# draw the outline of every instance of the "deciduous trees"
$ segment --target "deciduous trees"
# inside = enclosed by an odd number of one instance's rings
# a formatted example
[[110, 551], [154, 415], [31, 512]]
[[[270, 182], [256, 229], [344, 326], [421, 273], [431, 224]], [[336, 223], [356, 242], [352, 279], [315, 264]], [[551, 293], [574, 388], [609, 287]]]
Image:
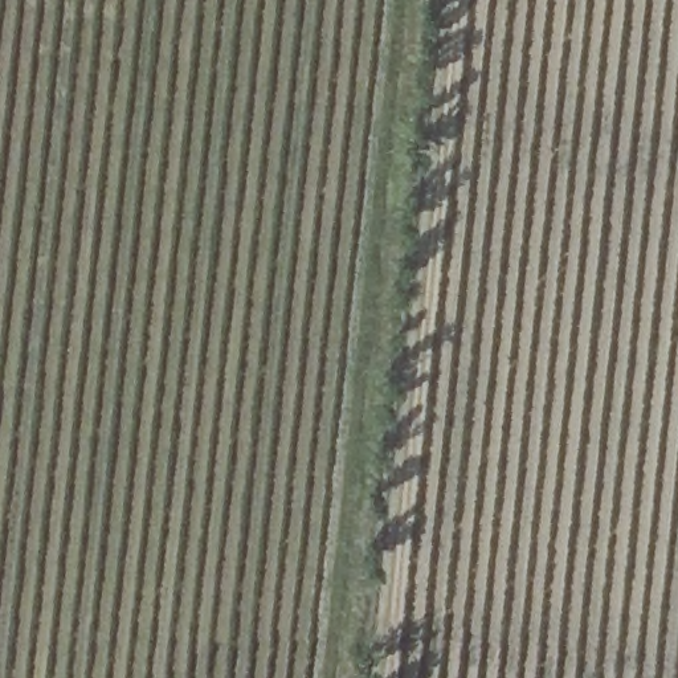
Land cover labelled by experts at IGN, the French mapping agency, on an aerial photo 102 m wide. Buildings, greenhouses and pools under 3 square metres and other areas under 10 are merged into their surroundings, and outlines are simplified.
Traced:
[[381, 583], [387, 577], [381, 564], [384, 554], [371, 548], [365, 554], [365, 569], [376, 583]]
[[358, 678], [387, 678], [376, 673], [376, 665], [387, 657], [379, 654], [373, 646], [368, 646], [368, 630], [358, 633], [352, 646]]

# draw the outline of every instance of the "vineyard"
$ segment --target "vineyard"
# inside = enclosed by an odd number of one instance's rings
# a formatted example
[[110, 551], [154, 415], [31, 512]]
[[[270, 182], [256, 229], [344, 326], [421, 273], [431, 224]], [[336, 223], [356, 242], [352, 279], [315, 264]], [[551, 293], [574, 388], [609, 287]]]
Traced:
[[0, 678], [323, 678], [395, 0], [0, 0]]
[[389, 379], [397, 395], [403, 395], [405, 400], [397, 411], [403, 418], [395, 424], [392, 432], [384, 432], [381, 442], [387, 450], [395, 453], [397, 469], [387, 479], [379, 479], [373, 487], [373, 514], [384, 522], [384, 527], [373, 538], [371, 548], [384, 554], [381, 564], [387, 577], [381, 583], [376, 614], [376, 633], [381, 638], [373, 646], [379, 654], [387, 657], [376, 665], [376, 673], [387, 678], [678, 678], [678, 0], [429, 0], [429, 19], [440, 29], [440, 37], [429, 48], [429, 69], [437, 72], [437, 95], [434, 101], [418, 109], [416, 132], [432, 143], [429, 159], [434, 170], [411, 191], [413, 212], [421, 215], [418, 230], [426, 233], [421, 236], [421, 241], [416, 241], [413, 252], [403, 260], [403, 265], [418, 273], [421, 294], [411, 302], [411, 315], [397, 328], [408, 336], [408, 347], [392, 360]]

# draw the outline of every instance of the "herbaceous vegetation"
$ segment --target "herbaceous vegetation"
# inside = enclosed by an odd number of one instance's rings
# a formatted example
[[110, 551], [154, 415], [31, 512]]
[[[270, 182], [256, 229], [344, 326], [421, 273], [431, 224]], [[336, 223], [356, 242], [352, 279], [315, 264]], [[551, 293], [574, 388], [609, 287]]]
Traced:
[[352, 646], [358, 633], [368, 630], [368, 646], [373, 646], [381, 638], [376, 633], [376, 614], [381, 583], [376, 583], [365, 569], [365, 554], [371, 548], [373, 538], [384, 527], [384, 522], [373, 514], [373, 487], [379, 479], [387, 479], [397, 469], [395, 453], [387, 450], [381, 442], [384, 432], [392, 432], [395, 424], [403, 418], [397, 411], [405, 400], [403, 395], [397, 395], [389, 379], [392, 360], [408, 347], [408, 336], [397, 328], [411, 315], [411, 302], [421, 294], [418, 273], [403, 265], [403, 260], [413, 252], [416, 241], [421, 241], [421, 236], [426, 233], [418, 230], [421, 215], [413, 212], [411, 191], [434, 170], [429, 159], [432, 143], [416, 132], [418, 109], [434, 101], [437, 95], [437, 72], [429, 69], [429, 48], [440, 37], [440, 29], [429, 19], [429, 0], [395, 0], [323, 678], [358, 678]]

